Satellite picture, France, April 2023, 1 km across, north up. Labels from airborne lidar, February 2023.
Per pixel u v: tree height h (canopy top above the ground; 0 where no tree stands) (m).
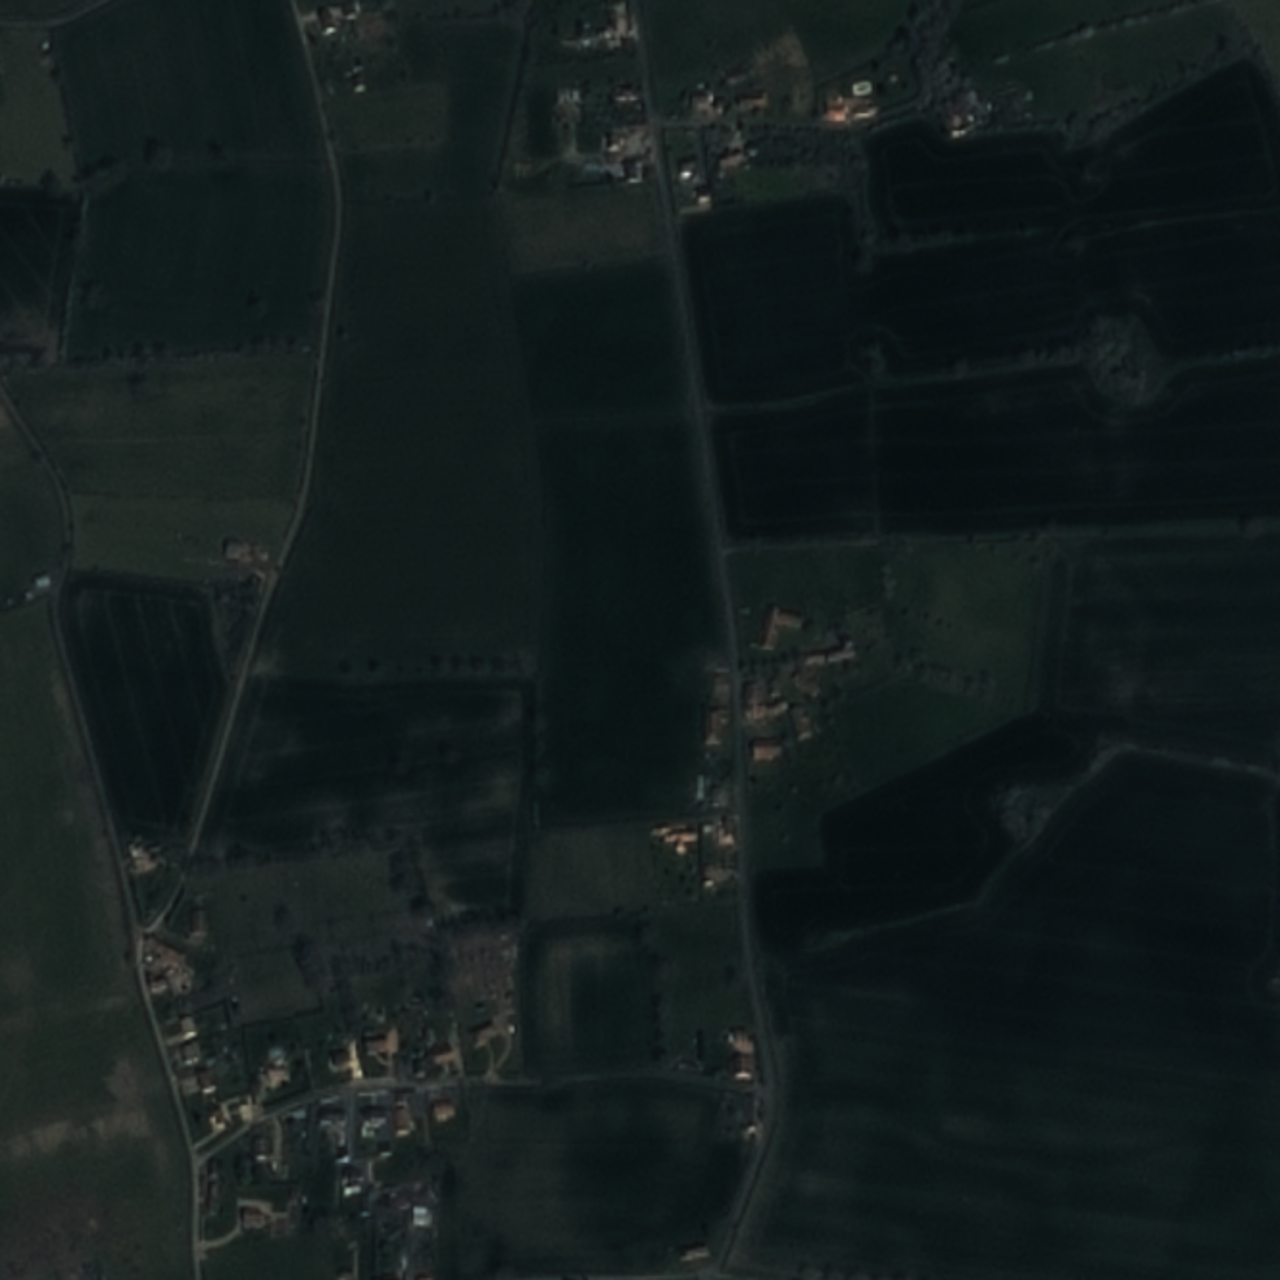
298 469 0
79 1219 0
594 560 0
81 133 0
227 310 0
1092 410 0
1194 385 0
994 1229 0
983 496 0
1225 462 0
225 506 0
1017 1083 0
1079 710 0
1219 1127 0
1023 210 0
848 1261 0
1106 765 0
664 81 0
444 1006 18
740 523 0
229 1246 0
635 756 0
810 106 0
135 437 0
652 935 14
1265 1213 0
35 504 0
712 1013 0
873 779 0
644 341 0
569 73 0
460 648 0
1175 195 0
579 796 0
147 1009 0
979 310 0
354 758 0
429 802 0
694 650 0
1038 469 0
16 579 0
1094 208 0
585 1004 0
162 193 0
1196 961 0
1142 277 0
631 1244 0
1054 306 0
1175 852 0
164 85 0
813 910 0
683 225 0
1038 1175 0
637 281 0
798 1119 0
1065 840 0
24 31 0
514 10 14
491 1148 0
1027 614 0
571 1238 0
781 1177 0
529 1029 0
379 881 0
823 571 0
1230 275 0
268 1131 9
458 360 0
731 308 0
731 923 0
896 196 0
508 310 0
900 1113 0
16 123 0
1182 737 0
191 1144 0
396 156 0
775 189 0
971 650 0
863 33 0
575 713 0
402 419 0
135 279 0
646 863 0
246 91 0
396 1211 14
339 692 0
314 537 0
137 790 0
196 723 0
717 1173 0
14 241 0
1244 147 0
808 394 0
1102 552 0
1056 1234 0
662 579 0
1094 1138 0
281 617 0
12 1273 0
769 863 0
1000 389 0
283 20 0
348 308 0
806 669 8
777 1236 0
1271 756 0
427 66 0
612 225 0
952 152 0
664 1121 0
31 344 0
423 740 0
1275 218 0
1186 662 0
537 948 0
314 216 0
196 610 0
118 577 0
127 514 0
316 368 0
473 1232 0
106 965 0
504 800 0
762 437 0
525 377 0
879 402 0
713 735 0
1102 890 0
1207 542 0
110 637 0
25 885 0
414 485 0
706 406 0
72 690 0
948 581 0
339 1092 0
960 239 9
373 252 0
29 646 0
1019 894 0
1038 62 0
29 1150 0
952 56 0
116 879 0
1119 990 0
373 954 0
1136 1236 0
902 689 0
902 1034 0
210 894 0
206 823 0
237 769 0
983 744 0
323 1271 0
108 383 0
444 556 0
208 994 8
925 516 0
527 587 0
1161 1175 0
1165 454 0
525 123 0
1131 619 0
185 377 0
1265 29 0
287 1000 0
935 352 0
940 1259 0
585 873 0
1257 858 0
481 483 0
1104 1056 0
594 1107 0
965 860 0
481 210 0
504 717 0
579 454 0
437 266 0
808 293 0
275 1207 0
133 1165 0
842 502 0
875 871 0
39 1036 0
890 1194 0
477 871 0
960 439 0
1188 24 0
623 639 0
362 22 0
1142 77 0
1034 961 0
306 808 0
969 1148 0
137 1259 0
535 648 0
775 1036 0
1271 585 0
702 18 0
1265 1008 0
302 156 0
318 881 0
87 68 0
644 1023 0
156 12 0
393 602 0
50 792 0
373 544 0
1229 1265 0
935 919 0
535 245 0
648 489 0
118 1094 0
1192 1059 0
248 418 0
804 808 0
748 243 0
